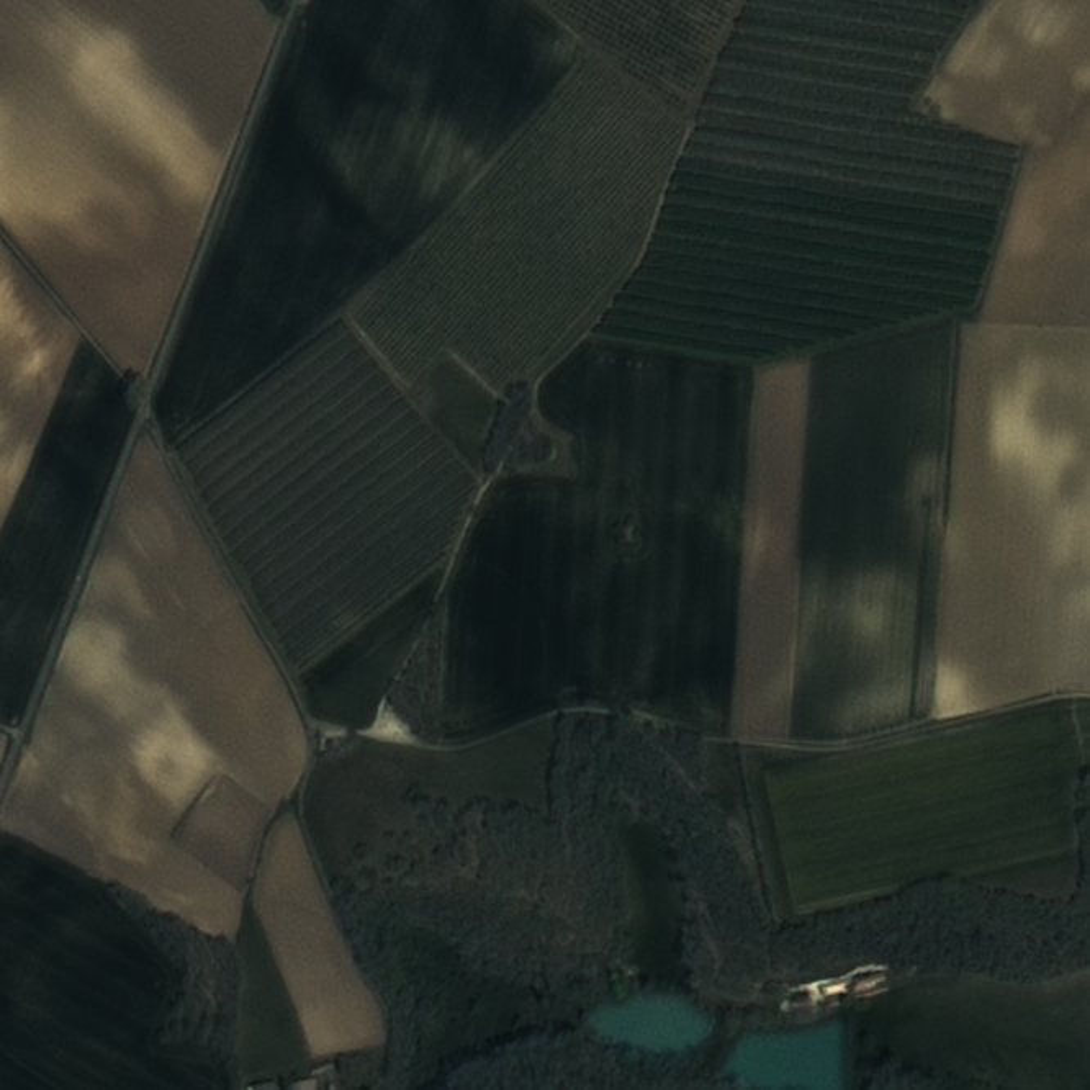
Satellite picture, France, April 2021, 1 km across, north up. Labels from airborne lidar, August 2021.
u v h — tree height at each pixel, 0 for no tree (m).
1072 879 0
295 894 0
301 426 7
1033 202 0
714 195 7
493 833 14
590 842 19
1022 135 0
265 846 0
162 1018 0
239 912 0
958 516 0
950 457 0
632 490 0
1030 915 17
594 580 0
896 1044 0
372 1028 0
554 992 31
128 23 0
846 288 8
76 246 0
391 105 0
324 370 6
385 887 11
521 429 15
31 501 0
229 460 8
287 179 0
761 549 0
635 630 0
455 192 0
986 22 0
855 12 6
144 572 0
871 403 0
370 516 6
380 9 0
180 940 20
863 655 0
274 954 0
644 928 0
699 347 6
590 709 12
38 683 0
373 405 6
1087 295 0
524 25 0
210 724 0
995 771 0
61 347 0
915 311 6
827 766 0
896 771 0
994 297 0
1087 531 0
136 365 0
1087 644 0
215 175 0
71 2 0
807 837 0
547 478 0
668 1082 23
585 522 0
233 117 0
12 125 0
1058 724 0
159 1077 0
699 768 16
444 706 0
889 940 19
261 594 6
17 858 0
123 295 0
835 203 7
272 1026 0
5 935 0
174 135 0
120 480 0
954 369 0
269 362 0
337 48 0
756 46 6
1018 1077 0
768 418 0
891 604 0
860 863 0
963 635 0
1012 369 0
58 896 0
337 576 5
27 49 0
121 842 0
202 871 0
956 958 24
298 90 0
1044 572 0
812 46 5
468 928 21
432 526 7
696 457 0
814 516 0
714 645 0
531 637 0
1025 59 0
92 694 0
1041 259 0
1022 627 0
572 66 0
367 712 0
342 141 0
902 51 6
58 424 0
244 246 0
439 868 12
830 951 16
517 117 0
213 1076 0
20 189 0
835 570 0
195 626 0
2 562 0
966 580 0
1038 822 0
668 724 0
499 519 0
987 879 0
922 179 6
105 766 0
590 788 20
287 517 6
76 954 0
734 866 17
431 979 10
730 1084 11
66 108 0
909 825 0
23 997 0
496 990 7
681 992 10
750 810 12
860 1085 0
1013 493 0
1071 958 11
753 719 0
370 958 18
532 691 0
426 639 10
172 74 0
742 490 0
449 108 0
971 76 0
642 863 0
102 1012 0
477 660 0
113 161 0
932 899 19
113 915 0
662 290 7
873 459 0
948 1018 0
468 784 0
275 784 0
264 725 0
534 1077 20
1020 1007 0
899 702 0
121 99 0
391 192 0
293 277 0
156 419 0
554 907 9
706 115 6
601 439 0
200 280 0
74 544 0
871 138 6
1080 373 0
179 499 0
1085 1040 0
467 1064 20
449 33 0
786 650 0
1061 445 0
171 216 0
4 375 0
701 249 7
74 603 0
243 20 0
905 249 6
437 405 0
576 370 0
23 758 0
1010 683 0
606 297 0
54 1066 0
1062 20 0
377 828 0
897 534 0
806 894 0
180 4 0
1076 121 0
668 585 0
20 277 0
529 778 0
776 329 6
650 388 0
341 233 0
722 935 12
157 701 0
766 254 6
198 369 0
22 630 0
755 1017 20
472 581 0
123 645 0
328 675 0
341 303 0
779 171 6
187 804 0
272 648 0
